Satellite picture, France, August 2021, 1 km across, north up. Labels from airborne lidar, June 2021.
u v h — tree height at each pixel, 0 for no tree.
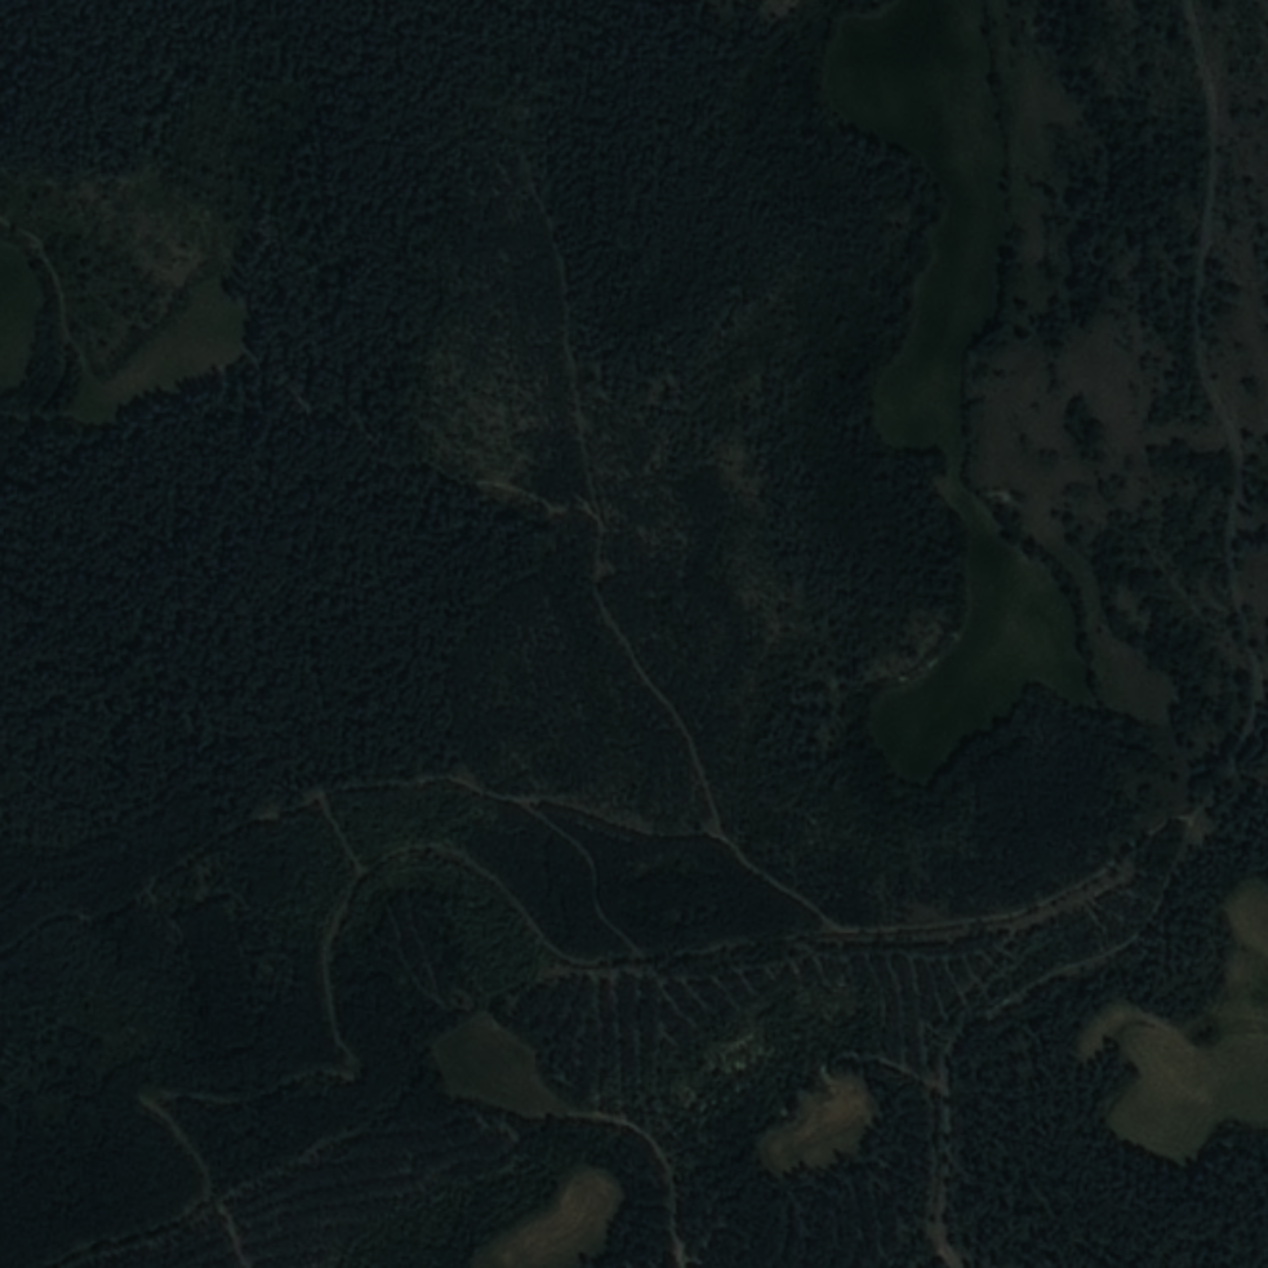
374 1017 9
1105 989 16
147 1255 12
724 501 7
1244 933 0
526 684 6
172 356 0
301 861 8
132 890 12
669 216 14
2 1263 9
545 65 9
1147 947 12
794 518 12
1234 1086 0
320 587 13
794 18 7
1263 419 0
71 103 22
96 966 6
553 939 8
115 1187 10
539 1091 0
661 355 10
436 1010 11
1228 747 9
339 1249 7
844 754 10
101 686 15
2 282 0
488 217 7
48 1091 9
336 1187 12
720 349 10
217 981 10
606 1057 12
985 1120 13
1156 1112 0
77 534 6
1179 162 10
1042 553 12
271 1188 9
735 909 10
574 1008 11
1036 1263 16
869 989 10
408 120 10
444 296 8
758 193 10
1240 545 9
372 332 18
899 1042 10
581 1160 7
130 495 25
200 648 19
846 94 0
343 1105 10
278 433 17
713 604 7
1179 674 8
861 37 0
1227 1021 0
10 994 8
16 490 19
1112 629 6
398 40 12
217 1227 8
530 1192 9
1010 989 9
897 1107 14
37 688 13
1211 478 10
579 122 13
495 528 19
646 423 6
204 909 9
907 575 15
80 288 6
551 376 6
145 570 18
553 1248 0
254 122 8
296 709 18
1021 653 0
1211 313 6
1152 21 9
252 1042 10
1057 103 0
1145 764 8
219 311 0
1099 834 9
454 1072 0
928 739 0
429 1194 8
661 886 12
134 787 22
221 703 19
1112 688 0
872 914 7
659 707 8
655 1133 7
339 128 18
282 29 6
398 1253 9
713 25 12
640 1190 9
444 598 13
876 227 12
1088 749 9
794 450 10
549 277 6
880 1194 8
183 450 22
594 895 7
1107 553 9
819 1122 0
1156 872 10
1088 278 13
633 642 6
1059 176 0
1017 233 7
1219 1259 14
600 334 15
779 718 9
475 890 7
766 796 9
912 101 0
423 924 12
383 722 12
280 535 17
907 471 8
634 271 15
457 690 7
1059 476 0
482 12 13
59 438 15
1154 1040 0
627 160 14
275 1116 10
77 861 10
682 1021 10
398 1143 13
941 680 0
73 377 7
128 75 20
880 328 10
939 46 0
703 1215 8
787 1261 11
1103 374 0
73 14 16
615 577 6
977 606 0
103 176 13
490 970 8
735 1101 11
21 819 16
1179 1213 20
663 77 18
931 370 0
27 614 19
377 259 18
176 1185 8
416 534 16
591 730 7
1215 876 18
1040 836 8
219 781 15
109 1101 10
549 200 7
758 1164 11
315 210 15
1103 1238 17
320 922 10
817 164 11
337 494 21
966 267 0
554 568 7
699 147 13
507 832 7
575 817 6
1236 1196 15
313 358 18
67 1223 9
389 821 8
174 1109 6
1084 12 16
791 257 10
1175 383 8
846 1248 11
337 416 8
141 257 0
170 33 16
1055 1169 18
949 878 6
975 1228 6
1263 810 17
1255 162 0
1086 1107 17
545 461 6
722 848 7
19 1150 8
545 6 9
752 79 11
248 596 16
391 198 17
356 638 15
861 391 17
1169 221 8
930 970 8
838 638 12
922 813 7
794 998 11
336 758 7
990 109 0
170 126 8
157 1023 6
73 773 18
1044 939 9
